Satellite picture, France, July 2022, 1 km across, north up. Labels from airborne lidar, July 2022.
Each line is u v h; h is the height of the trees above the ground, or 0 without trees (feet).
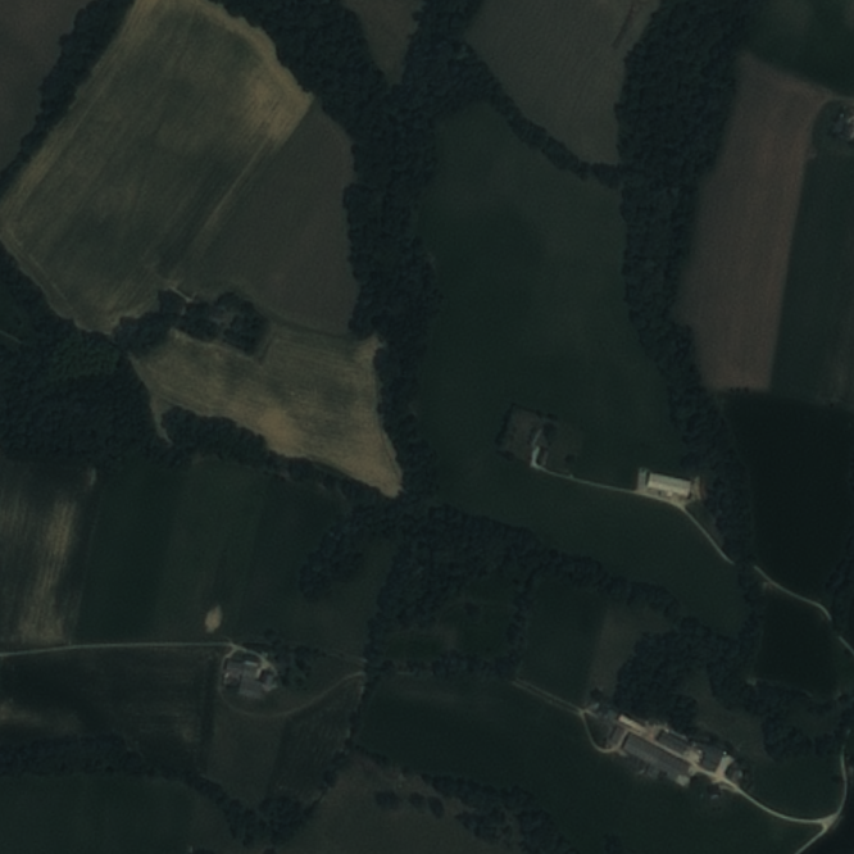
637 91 33
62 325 78
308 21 68
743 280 0
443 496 0
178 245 0
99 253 0
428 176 69
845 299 0
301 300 0
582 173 75
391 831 0
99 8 68
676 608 77
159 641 0
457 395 0
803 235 0
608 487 0
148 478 0
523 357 0
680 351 79
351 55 28
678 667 72
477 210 0
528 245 0
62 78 66
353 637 0
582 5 0
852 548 39
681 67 76
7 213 0
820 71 0
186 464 76
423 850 0
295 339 0
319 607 0
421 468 75
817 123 0
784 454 0
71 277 0
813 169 0
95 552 0
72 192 0
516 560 99
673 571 0
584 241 0
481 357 0
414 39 29
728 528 66
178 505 0
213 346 0
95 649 0
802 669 0
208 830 0
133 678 0
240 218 0
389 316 67
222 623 0
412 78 56
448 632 0
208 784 41
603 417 0
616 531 0
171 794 0
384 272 68
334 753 0
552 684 0
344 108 80
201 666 0
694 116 60
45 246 0
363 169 43
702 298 0
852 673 0
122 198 0
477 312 0
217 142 0
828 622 0
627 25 0
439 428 0
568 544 0
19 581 0
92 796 0
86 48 64
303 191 0
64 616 0
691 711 39
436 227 0
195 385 0
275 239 0
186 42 0
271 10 38
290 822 26
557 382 0
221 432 94
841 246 0
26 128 0
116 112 0
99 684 0
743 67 0
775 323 0
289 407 0
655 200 91
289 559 0
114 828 0
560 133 0
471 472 0
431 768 0
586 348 0
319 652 22
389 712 0
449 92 49
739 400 0
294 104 0
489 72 53
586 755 0
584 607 0
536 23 0
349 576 64
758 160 0
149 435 81
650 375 0
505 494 0
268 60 0
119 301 0
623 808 0
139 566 0
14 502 0
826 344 0
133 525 0
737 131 0
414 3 0
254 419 0
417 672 63
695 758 0
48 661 0
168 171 0
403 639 0
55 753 75
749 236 0
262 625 0
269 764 0
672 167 71
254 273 0
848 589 46
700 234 0
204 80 0
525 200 0
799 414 0
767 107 0
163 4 0
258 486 0
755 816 0
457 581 69
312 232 0
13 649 0
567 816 0
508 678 42
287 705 0
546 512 0
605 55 0
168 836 0
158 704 0
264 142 0
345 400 0
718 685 83
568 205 0
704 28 73
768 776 0
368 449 0
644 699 89
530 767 0
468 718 0
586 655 0
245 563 0
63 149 0
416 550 31
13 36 0
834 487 0
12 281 62
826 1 0
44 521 0
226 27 0
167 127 0
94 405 89
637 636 0
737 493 73
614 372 0
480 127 0
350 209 75
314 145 0
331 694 0
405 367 85
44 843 0
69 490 0
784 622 0
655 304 93
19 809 0
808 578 0
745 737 0
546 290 0
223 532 0
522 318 0
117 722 0
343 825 0
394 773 0
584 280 0
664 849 0
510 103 36
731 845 0
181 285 0
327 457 0
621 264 0
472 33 0
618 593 86
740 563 57
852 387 0
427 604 58
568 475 0
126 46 0
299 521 0
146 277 0
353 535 84
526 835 68
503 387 0
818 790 0
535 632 0
